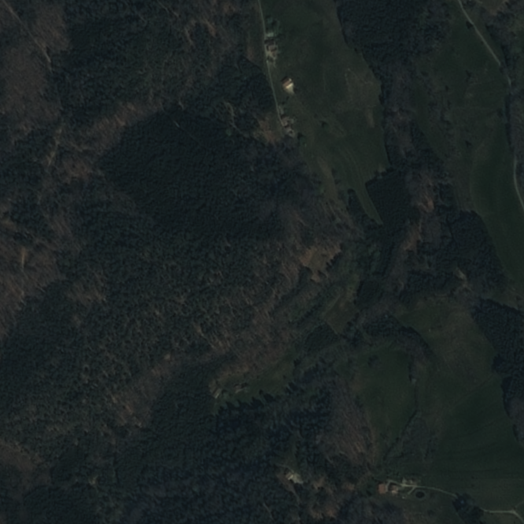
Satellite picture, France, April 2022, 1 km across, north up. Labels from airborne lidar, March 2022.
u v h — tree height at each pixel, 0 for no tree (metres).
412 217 12
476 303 17
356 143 0
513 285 15
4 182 24
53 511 22
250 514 20
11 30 18
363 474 20
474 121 0
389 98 14
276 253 27
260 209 19
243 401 0
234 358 25
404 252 34
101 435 19
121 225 28
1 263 25
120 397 17
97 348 22
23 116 16
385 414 0
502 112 0
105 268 24
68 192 8
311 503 29
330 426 24
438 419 0
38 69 22
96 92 28
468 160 0
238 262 30
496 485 0
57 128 22
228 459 18
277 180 22
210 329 14
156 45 16
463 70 0
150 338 26
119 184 22
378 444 0
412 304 34
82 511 23
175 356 28
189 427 29
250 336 30
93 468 35
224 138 27
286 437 26
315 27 0
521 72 16
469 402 0
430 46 25
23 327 21
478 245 29
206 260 29
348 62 0
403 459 8
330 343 20
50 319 19
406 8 28
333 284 22
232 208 24
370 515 35
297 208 32
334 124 0
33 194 23
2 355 18
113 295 14
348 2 27
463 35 0
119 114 25
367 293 21
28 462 10
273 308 27
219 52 7
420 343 33
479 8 21
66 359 22
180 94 29
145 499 11
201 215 21
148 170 17
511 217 0
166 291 23
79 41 9
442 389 0
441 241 34
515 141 31
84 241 27
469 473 0
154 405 34
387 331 37
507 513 0
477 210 0
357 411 35
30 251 28
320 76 0
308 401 10
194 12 26
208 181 29
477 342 0
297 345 20
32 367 19
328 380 28
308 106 0
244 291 18
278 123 0
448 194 28
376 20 34
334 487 17
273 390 0
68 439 19
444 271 35
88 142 22
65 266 22
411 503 0
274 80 0
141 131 21
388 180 19
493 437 0
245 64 33
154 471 10
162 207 16
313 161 0
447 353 0
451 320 0
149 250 26
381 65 21
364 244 16
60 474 23
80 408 21
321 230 34
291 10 0
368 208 0
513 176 0
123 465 37
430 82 16
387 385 0
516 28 24
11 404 16
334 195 0
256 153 30
